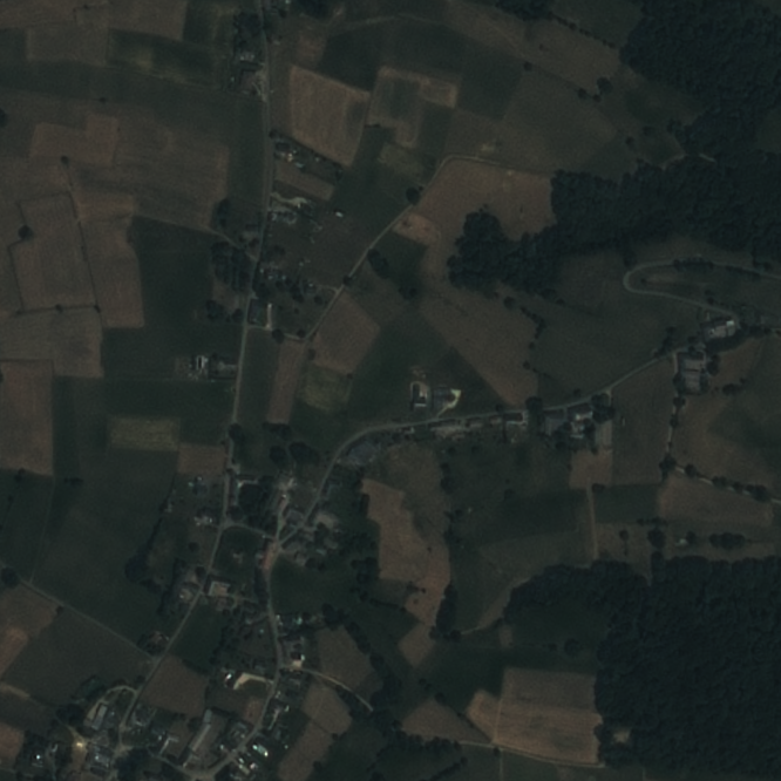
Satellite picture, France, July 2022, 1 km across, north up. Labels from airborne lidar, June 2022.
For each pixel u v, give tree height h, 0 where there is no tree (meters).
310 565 14
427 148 0
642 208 29
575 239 28
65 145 0
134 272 0
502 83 0
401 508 0
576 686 0
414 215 0
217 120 0
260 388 0
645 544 0
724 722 27
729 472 0
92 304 0
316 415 0
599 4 0
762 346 0
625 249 20
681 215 27
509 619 13
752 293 0
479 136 0
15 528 0
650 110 0
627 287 0
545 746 0
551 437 12
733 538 15
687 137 16
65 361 0
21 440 0
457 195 0
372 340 0
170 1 0
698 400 0
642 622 28
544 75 0
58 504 0
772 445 0
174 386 0
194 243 0
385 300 0
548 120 0
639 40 19
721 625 30
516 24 0
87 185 0
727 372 0
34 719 0
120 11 0
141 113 0
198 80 0
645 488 0
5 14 0
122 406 0
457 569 0
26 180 0
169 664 0
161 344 0
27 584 0
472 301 0
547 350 0
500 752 11
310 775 0
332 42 0
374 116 0
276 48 0
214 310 14
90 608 0
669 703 24
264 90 0
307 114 0
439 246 0
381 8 0
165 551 0
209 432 0
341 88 0
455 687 0
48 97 0
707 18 7
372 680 0
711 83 19
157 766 0
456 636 15
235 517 18
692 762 17
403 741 20
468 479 0
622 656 23
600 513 0
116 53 0
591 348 0
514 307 10
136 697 0
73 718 16
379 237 0
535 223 0
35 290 0
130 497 0
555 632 0
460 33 0
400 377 0
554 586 31
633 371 0
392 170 0
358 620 0
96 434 0
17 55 0
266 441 0
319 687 0
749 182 26
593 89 0
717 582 31
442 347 0
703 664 27
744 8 20
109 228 0
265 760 0
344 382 0
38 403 0
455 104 0
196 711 0
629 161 0
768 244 23
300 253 0
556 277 20
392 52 0
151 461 0
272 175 0
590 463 0
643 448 0
